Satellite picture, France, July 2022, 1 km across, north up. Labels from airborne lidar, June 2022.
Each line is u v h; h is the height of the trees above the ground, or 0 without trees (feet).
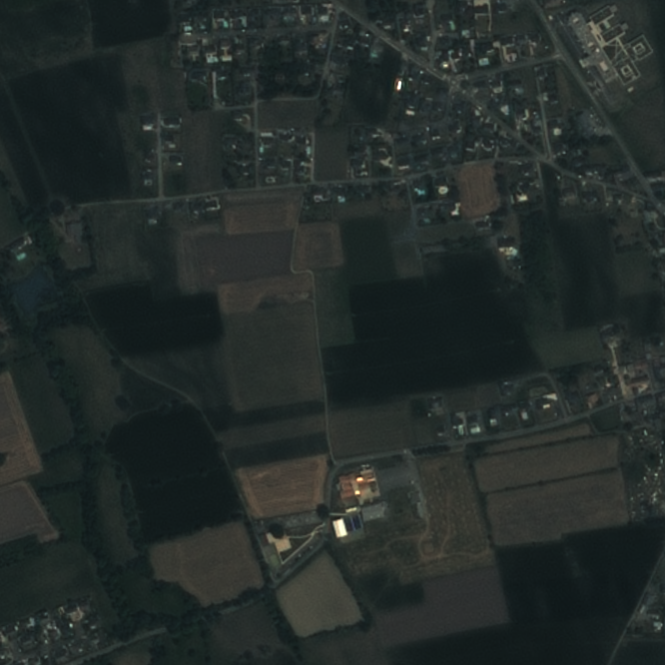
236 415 0
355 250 0
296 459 0
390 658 0
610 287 0
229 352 0
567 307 0
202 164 0
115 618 0
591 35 0
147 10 0
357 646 0
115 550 0
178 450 0
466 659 0
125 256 0
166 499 0
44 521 0
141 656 0
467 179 0
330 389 0
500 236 0
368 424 0
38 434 0
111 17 0
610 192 0
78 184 0
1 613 0
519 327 0
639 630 19
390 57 0
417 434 0
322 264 0
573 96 0
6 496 0
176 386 0
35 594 0
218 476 0
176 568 0
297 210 0
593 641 0
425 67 0
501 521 0
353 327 0
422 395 0
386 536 0
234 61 21
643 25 0
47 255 41
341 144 0
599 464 0
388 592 0
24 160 0
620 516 0
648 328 0
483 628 0
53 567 0
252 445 0
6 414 0
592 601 0
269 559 0
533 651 0
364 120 0
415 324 0
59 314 23
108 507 0
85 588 0
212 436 0
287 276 0
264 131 0
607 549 0
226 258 0
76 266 0
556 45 0
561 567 0
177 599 0
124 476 44
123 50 0
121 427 0
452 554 0
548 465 0
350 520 0
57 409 0
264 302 0
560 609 0
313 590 0
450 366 0
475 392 0
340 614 0
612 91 0
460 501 0
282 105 0
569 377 41
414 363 0
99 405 0
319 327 0
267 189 0
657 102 0
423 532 0
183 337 0
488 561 0
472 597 0
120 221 0
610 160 0
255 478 0
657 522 52
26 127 0
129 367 0
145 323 0
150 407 0
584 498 0
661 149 0
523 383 0
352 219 0
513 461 0
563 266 0
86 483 34
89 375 0
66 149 0
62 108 0
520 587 0
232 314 0
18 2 0
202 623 54
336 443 0
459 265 0
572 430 0
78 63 0
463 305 0
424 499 0
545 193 0
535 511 0
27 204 0
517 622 0
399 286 0
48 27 0
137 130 0
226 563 0
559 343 0
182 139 0
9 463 0
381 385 0
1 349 0
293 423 0
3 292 59
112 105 0
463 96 0
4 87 0
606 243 0
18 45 0
